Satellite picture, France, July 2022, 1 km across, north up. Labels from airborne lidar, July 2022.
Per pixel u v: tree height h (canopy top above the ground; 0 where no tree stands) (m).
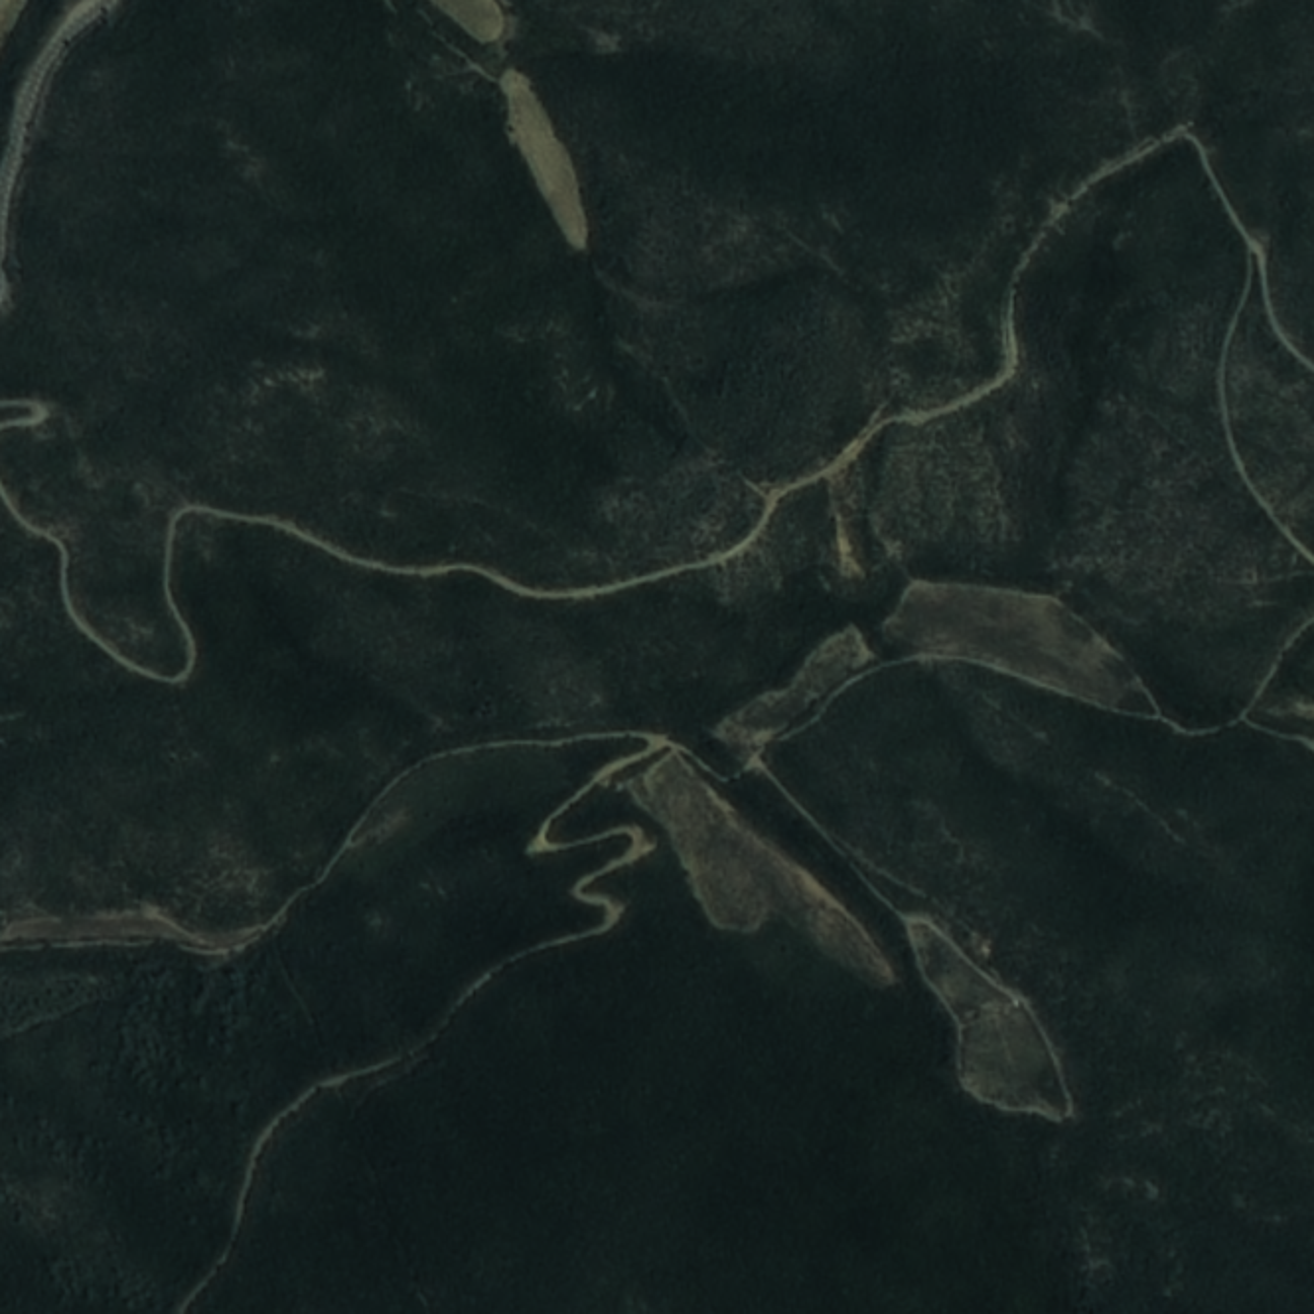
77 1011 6
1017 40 6
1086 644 0
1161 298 6
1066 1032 7
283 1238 6
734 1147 7
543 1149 6
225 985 6
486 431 6
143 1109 6
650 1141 6
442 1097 7
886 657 7
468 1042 6
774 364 7
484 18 0
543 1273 6
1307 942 5
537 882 5
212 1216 9
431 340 6
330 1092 6
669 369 6
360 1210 9
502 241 5
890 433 10
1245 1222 6
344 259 5
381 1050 8
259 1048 6
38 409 0
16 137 0
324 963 7
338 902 7
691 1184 5
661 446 8
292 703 6
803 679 0
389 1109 7
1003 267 6
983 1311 8
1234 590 0
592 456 6
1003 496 10
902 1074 9
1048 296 8
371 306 6
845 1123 7
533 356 7
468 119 6
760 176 6
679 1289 7
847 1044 7
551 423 6
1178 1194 6
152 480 0
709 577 6
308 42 5
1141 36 5
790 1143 6
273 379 0
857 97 5
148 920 0
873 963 0
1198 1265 6
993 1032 0
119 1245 5
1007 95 5
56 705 7
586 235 7
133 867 6
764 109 8
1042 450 6
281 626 6
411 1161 6
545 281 7
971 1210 6
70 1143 6
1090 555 0
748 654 6
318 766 6
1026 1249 7
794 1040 6
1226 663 0
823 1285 7
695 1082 7
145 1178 6
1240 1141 6
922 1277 6
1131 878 6
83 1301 6
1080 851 6
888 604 6
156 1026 6
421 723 6
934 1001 7
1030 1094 0
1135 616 0
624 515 6
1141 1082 5
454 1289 5
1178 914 6
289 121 6
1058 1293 7
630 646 5
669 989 6
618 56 8
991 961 7
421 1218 6
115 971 7
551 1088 6
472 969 7
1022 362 10
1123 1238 7
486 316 8
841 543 0
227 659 6
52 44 0
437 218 5
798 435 6
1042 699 5
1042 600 0
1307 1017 7
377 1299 6
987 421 7
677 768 0
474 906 6
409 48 6
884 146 6
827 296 6
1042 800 6
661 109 5
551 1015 6
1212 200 6
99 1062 8
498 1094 6
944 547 8
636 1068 6
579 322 6
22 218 6
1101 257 7
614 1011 7
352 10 7
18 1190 7
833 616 7
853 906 7
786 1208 7
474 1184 7
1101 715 7
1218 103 6
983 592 0
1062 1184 8
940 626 0
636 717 7
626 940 8
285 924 6
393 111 6
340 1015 7
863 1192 8
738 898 0
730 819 0
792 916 0
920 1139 6
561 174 0
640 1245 6
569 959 9
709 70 9
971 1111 9
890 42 6
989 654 0
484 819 6
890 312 0
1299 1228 8
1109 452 0
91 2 0
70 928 0
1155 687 6
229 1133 5
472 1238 6
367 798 6
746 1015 6
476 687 10
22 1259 5
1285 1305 6
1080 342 7
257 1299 8
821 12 6
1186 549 0
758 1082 7
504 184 6
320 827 7
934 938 0
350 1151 6
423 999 6
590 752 6
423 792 0
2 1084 6
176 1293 6
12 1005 11
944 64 6
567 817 7
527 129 0
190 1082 6
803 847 5
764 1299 6
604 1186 6
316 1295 7
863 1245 8
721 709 8
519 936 9
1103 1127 6
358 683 9
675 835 0
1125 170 7
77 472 0
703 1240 5
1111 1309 6
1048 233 6
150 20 6
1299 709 0
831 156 7
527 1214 6
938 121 6
